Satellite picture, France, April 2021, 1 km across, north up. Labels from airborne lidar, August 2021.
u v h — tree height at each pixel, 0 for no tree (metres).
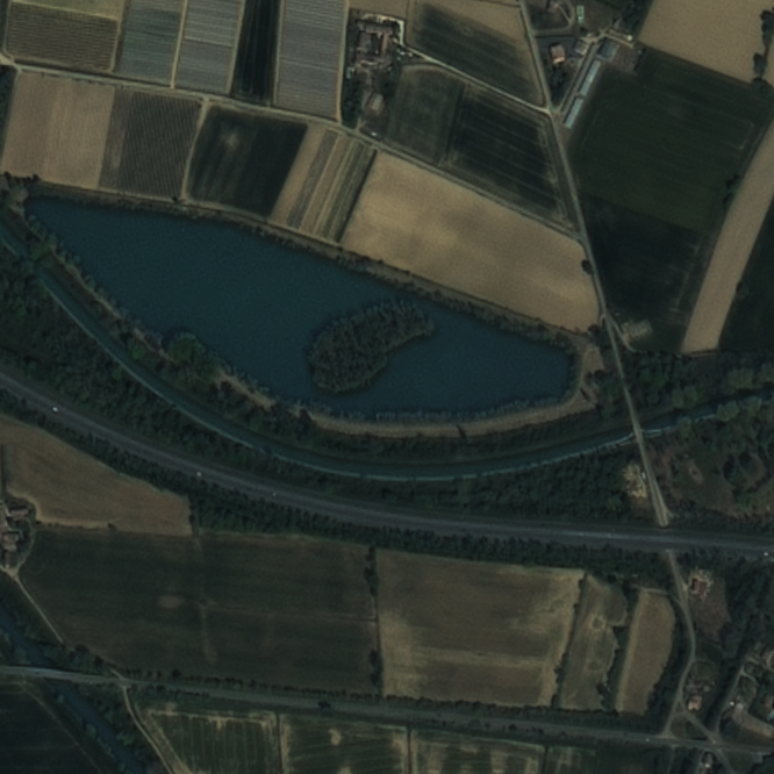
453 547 21
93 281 14
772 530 12
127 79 0
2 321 11
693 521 10
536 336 13
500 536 0
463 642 0
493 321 13
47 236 15
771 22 15
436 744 0
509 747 0
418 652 0
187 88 0
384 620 0
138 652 0
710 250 0
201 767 0
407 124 0
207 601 8
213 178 0
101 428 0
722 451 17
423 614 0
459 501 10
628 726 7
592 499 16
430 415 14
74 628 0
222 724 0
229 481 0
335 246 0
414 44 0
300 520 17
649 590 0
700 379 18
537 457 0
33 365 19
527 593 0
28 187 15
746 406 25
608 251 0
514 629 0
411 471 0
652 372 16
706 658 8
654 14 0
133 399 17
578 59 0
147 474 14
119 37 0
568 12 0
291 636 0
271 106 0
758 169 0
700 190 0
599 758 0
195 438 24
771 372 33
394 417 18
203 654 0
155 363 9
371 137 0
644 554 10
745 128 0
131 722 14
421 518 0
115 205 7
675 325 0
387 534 11
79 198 14
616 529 0
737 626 19
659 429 0
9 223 0
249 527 15
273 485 0
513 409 10
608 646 0
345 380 20
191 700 13
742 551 0
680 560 9
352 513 0
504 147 0
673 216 0
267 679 0
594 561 10
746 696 11
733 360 18
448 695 0
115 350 0
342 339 22
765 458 11
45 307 16
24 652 11
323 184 0
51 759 0
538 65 0
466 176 0
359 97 8
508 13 0
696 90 0
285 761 0
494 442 15
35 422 13
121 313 13
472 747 0
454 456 18
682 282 0
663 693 13
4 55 0
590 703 0
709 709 6
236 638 0
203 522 12
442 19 0
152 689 8
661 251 0
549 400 16
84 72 0
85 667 19
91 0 0
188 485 19
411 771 0
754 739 0
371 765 0
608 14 0
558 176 0
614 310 8
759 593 12
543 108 0
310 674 0
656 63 0
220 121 0
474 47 0
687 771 17
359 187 0
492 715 8
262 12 0
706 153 0
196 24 0
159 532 0
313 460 0
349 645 0
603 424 15
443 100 0
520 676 0
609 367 19
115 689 10
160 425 30
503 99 0
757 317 0
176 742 0
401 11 0
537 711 11
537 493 20
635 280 0
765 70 11
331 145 0
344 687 0
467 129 0
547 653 0
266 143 0
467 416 11
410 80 0
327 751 0
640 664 0
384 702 14
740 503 12
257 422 20
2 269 20
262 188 0
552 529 0
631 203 0
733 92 0
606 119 0
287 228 0
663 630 0
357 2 0
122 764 7
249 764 0
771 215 0
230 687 8
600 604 0
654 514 0
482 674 0
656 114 0
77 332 21
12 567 0
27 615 6
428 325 20
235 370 18
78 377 25
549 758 0
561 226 0
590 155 0
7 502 7
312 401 8
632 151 0
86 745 0
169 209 10
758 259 0
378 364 22
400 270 8
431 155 0
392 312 14
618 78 0
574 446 0
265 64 0
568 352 19
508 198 0
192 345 23
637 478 0
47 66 0
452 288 0
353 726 0
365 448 10
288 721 0
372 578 18
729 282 0
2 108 10
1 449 0
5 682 0
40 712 0
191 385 16
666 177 0
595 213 0
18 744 0
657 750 10
